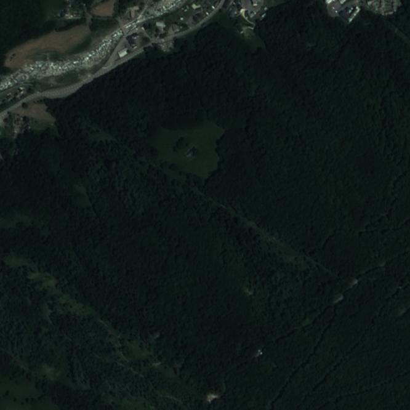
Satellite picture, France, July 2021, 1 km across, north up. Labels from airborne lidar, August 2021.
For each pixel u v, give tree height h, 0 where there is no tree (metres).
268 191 22
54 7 0
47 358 9
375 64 19
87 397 13
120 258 14
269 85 18
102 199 23
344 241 16
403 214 17
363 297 19
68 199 17
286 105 23
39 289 13
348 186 19
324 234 22
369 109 22
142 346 12
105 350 8
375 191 18
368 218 23
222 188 30
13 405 0
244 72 10
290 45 18
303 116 21
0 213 23
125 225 20
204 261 22
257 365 16
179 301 23
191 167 0
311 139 16
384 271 16
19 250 18
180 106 26
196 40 10
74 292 23
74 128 20
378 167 21
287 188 22
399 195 16
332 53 13
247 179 22
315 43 8
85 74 0
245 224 18
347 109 19
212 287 30
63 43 0
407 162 23
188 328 21
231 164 21
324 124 26
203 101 23
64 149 34
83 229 25
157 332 27
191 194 14
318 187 22
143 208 31
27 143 18
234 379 12
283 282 16
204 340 17
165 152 0
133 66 22
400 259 23
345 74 16
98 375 9
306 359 19
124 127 21
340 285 18
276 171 24
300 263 8
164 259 16
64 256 16
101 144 16
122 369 10
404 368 18
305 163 25
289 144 22
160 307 25
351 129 24
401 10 15
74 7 13
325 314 20
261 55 23
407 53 19
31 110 0
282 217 27
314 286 24
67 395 21
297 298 12
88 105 25
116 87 19
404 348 18
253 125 28
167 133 0
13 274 15
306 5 8
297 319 18
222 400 13
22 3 14
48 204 18
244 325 21
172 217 30
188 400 8
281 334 15
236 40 12
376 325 17
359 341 12
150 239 22
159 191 10
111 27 0
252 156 26
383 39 17
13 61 0
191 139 0
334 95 24
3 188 26
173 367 13
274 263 17
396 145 23
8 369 18
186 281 26
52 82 0
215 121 18
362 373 17
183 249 18
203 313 21
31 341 13
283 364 20
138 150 10
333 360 20
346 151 21
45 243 17
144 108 27
